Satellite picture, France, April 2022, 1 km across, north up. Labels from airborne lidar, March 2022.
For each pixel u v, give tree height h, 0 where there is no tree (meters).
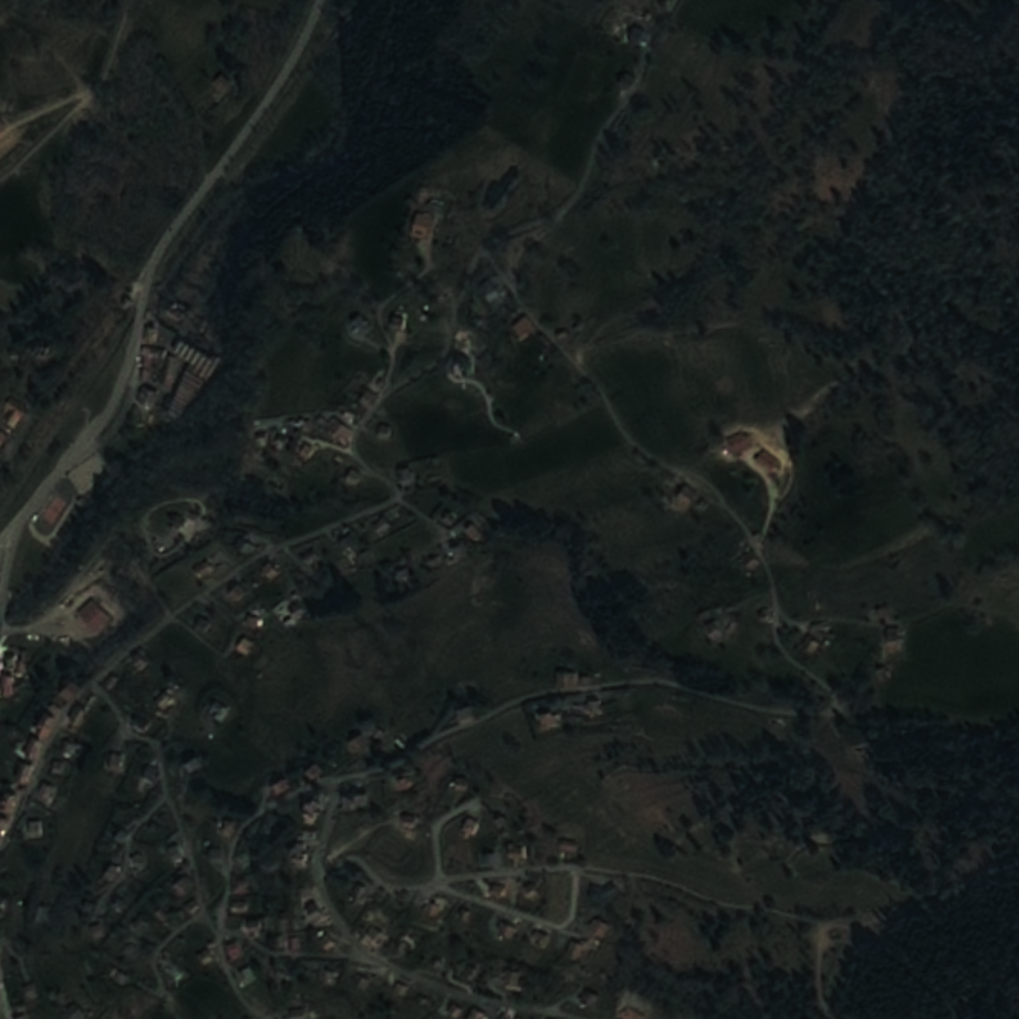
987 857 0
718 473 0
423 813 0
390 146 27
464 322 6
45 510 0
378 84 22
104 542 23
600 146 0
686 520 0
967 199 13
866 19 0
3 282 0
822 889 0
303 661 0
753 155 8
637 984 12
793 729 0
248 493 20
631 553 0
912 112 15
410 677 0
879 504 0
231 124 0
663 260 0
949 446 7
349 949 0
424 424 0
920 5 19
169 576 0
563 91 0
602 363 0
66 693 0
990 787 25
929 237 23
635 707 0
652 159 0
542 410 0
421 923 0
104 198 22
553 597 0
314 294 10
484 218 0
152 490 12
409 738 0
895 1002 16
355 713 0
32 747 0
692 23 0
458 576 0
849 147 9
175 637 0
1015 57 13
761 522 0
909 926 22
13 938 0
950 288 23
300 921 0
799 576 0
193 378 0
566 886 0
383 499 0
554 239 0
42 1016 0
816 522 0
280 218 21
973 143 18
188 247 16
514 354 0
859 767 0
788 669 0
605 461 0
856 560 0
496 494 0
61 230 22
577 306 0
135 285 0
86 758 10
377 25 22
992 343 14
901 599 0
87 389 0
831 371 0
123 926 11
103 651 13
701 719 0
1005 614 0
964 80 17
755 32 0
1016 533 0
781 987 16
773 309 0
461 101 28
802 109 16
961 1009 6
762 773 23
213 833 0
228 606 0
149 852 0
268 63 17
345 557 0
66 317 15
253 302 34
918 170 16
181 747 9
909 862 30
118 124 19
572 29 0
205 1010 0
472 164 0
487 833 0
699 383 0
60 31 0
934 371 17
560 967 0
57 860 0
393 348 0
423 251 0
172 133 20
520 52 0
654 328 15
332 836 0
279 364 0
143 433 0
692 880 0
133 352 0
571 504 0
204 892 0
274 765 0
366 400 0
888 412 14
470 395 0
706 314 13
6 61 0
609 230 0
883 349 20
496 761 0
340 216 26
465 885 0
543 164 0
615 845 0
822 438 0
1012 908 21
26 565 0
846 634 0
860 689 22
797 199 7
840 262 16
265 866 20
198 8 0
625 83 0
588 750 0
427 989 0
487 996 8
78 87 0
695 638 0
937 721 19
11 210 0
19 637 0
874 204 26
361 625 0
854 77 22
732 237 16
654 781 0
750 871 0
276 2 0
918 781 23
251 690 0
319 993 0
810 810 21
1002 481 17
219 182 0
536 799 0
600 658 0
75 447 0
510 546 0
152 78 16
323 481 0
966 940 19
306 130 0
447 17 19
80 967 0
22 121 0
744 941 0
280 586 0
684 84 0
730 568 0
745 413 0
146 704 0
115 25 15
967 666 0
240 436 19
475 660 0
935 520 19
